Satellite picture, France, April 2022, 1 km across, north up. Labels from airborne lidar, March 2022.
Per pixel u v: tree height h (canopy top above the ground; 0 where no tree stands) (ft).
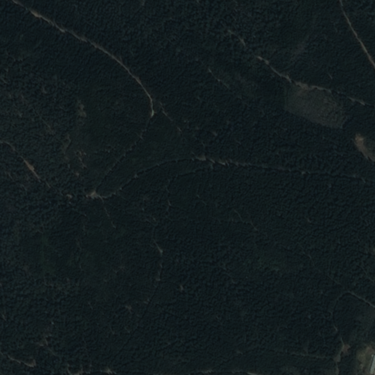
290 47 35
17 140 88
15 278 100
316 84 35
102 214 43
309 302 72
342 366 33
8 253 95
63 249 52
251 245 60
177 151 33
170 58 77
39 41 65
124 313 68
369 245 87
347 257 72
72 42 67
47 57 51
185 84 87
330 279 49
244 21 107
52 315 84
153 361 71
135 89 73
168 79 67
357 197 88
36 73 45
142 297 62
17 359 40
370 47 36
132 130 75
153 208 74
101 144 68
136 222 64
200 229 55
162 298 64
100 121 71
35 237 35
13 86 70
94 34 60
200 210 48
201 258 79
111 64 63
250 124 84
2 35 67
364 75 58
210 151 88
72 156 63
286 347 46
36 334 84
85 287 52
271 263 66
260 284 55
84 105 44
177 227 66
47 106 53
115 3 76
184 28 100
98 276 61
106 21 84
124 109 71
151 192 89
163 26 68
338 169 45
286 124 77
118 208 60
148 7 59
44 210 110
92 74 50
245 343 77
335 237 92
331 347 72
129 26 78
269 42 85
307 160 30
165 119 64
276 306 60
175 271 72
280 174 82
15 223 71
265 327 70
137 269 65
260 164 54
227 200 68
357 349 32
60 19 68
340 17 32
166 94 63
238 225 55
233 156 76
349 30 41
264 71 52
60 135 89
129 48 76
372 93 39
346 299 61
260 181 73
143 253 70
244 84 73
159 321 71
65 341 35
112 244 54
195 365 58
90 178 63
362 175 60
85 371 44
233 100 68
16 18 54
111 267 69
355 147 57
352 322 53
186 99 73
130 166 52
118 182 53
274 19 51
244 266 54
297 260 68
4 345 77
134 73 68
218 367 46
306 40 18
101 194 47
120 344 63
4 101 87
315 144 64
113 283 65
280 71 33
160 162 65
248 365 56
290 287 50
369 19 52
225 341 55
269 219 67
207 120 81
